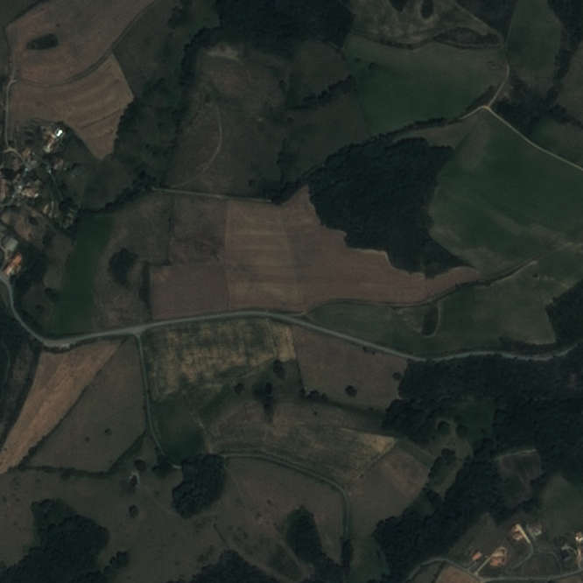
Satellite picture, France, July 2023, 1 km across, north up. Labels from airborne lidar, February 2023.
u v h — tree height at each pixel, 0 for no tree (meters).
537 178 0
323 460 0
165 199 0
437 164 11
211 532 0
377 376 0
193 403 0
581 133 0
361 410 0
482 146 0
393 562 13
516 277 0
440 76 0
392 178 6
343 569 16
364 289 0
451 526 12
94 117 0
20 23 0
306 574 0
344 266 0
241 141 0
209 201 0
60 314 0
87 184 0
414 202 8
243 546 0
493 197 0
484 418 0
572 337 0
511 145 0
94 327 0
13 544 0
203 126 0
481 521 0
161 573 0
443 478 0
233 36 0
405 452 0
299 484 0
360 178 15
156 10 0
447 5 0
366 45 0
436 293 0
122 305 0
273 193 9
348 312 0
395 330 0
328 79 0
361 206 12
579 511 0
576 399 11
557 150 0
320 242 0
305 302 0
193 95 0
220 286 0
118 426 0
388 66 0
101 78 0
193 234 0
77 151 0
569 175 0
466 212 0
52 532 19
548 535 0
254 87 0
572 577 0
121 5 0
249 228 0
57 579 15
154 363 0
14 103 0
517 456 26
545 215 0
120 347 0
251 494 0
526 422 20
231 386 0
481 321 0
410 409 16
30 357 0
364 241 8
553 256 0
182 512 12
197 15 0
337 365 0
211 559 0
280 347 0
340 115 0
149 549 0
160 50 0
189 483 10
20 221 0
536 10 0
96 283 0
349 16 10
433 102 0
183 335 0
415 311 0
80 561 13
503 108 12
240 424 0
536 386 12
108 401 0
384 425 7
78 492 0
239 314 0
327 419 0
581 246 0
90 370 0
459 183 0
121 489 0
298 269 0
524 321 0
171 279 0
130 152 0
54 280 0
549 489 0
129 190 7
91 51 0
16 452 0
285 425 0
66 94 0
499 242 0
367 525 0
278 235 0
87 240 0
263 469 0
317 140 0
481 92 0
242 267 0
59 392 0
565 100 0
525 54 0
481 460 13
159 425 0
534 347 9
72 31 0
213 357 0
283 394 0
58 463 0
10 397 0
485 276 0
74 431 0
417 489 0
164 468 15
